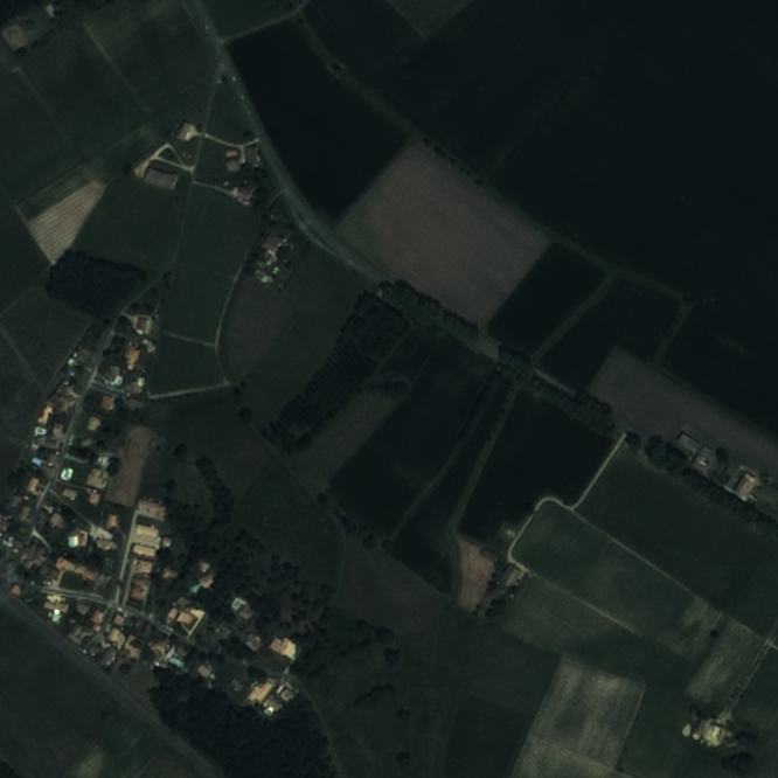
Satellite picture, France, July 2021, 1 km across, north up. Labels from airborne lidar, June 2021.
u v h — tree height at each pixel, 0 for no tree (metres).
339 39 0
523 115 0
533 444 0
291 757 14
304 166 0
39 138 0
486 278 0
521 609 0
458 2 0
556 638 0
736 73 0
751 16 0
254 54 0
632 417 0
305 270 0
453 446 0
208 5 0
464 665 0
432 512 0
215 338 0
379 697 17
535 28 0
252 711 18
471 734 0
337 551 0
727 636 0
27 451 0
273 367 0
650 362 0
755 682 0
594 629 0
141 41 0
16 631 0
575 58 0
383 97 0
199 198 0
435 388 0
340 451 0
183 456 18
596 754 0
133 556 0
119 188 0
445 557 0
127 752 0
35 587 0
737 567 0
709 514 0
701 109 0
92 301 22
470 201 0
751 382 0
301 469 0
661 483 0
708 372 0
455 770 0
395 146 0
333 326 0
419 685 0
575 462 0
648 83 0
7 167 0
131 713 0
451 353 0
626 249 0
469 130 0
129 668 9
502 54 0
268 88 0
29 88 0
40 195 0
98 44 0
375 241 0
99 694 0
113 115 0
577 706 0
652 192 0
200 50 0
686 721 0
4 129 0
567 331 0
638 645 0
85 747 0
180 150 0
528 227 0
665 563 0
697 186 0
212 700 24
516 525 0
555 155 0
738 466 0
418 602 0
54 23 6
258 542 11
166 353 0
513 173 0
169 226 0
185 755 0
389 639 20
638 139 0
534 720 0
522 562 0
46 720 0
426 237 0
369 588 0
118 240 0
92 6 17
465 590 0
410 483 0
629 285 0
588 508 0
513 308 0
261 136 0
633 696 0
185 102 0
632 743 0
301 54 0
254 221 0
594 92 0
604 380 0
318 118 0
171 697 20
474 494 0
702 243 0
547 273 0
